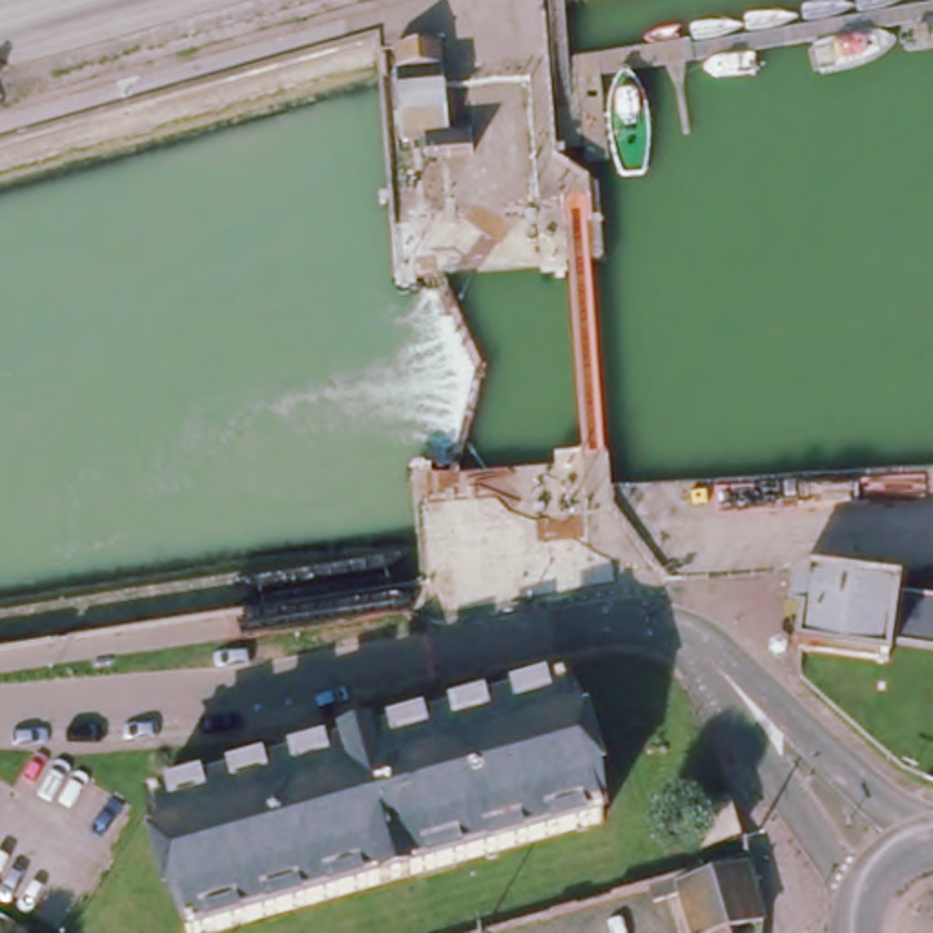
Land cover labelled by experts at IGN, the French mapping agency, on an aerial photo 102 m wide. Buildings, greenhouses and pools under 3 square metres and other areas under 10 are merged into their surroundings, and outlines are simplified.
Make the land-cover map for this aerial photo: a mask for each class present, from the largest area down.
<instances>
[{"label":"impervious surface","instance_id":"1","mask_svg":"<svg viewBox=\"0 0 933 933\"><path fill-rule=\"evenodd\" d=\"M915 11L926 26H933V0H893L875 7L867 18L846 26L842 15H816L805 18V26H795L787 18L769 29H733L722 36H660L656 29H649L641 44L612 47L605 36H594L583 26V0H0V200L73 182L84 175L113 171L124 164H138L146 157L200 146L233 131L262 128L328 102H354L375 95L379 135H386L390 153V186L379 190V208L386 215L383 222L394 226V277L426 306V317L452 368L445 419L437 423V434L426 441V459L412 463V503L423 518V525L415 528L419 554L412 561H386V554L379 550L292 569L211 572L190 579L0 605V671L47 667L66 660L109 663L117 652H149L226 638L259 641V631L295 623L324 627V638L302 652L259 645L248 652L237 649L211 656L200 667L0 685V933H73L80 926L87 897L98 893L102 875L113 867V838L124 816V798L102 791L87 773H73V754L157 747L160 769L186 762L208 765L226 758V751L248 743L270 747L299 729H328L339 722V714H357V729L364 740L372 729L386 722V707L394 703H430L467 682L492 685L528 663H565L569 671H576L583 660L616 652L660 660L674 674V685L685 692L700 729L682 762V780L689 784L703 795L711 809H718L711 824L714 846L736 838L743 849L736 860H729L736 871H754L758 897L765 904H776L769 915L751 918V933H933V776L915 758H900L886 743H878L853 714L831 703L802 674V656L886 663L889 645L842 641L827 634H795L791 616H798V598L791 590V569H805L813 550L900 565L893 645L904 641L907 623L922 605V590H933V467L867 470L849 481L787 485H780L776 477H725L714 485L612 481L594 295V259L601 255V211L590 197V175L565 157V149L579 138H590L612 164L623 160L620 138L627 135L631 120L616 113L612 73H627L631 58H645L667 69L678 131L689 135L692 120L685 98V62H700L707 69L714 55H758L765 47L787 44H805L813 51L820 40H849L856 33H889V40H897L907 36L904 22ZM456 270H543L569 284L579 445L558 448L550 463L437 470L445 452L463 437V423L477 390V350L448 295V273ZM470 933H692L682 893L656 897L652 904L641 897L638 882L587 900H569L536 915L481 926Z\"/></svg>","mask_w":933,"mask_h":933},{"label":"water","instance_id":"2","mask_svg":"<svg viewBox=\"0 0 933 933\"><path fill-rule=\"evenodd\" d=\"M893 0H583V26L594 36H605L612 47L641 44L649 29H656L660 36H722L733 29H769L787 18L795 26H805V18L816 15H842L846 26L867 18L875 7ZM907 36L897 40H889V33H856L849 40H820L813 51L805 44H787L765 47L758 55H714L707 69L700 62H685V98L692 120L689 135L678 131L667 69L645 58H631L627 73H612L616 113L631 120L627 135L620 138L623 160L612 164L590 138H579L565 149V157L590 175V197L601 211V255L594 259V295L612 481L714 485L725 477H776L780 485H787L849 481L867 470L933 467V26H926L915 11L904 22ZM390 186V153L386 135H379L375 95L354 102H328L262 128L233 131L200 146L146 157L138 164H124L113 171L84 175L73 182L0 200V587L171 558H200L215 550H251L273 543L415 528L423 525V518L412 503V463L426 459V441L437 434V423L445 419L452 368L426 317V306L394 277V226L383 222L386 215L379 208V190ZM448 295L477 350V390L463 423V437L445 452L437 470L550 463L558 448L579 445L569 284L543 270H456L448 273Z\"/></svg>","mask_w":933,"mask_h":933},{"label":"building","instance_id":"3","mask_svg":"<svg viewBox=\"0 0 933 933\"><path fill-rule=\"evenodd\" d=\"M791 590L798 598V616H791L795 634H827L842 641L889 645H893L900 565L813 550L805 569H791ZM594 725V707L569 671L565 663H528L492 685L467 682L430 703H394L386 707V722L372 729L364 740L357 729V714H339V722L328 729H299L270 747L248 743L226 751V758L208 765L186 762L160 769L157 787L146 791V827L160 878L168 882L175 904L193 907L182 918L186 933H222L270 915L375 889L397 878L434 875L467 860L499 856L528 842L598 827L601 809H590V798L605 791V751L587 736V729ZM641 897L652 904L656 897L682 893L692 933H751V918L769 915L776 904H765L758 897L754 871H736L729 860H722L718 867L707 864L638 882Z\"/></svg>","mask_w":933,"mask_h":933},{"label":"herbaceous vegetation","instance_id":"4","mask_svg":"<svg viewBox=\"0 0 933 933\"><path fill-rule=\"evenodd\" d=\"M379 550L386 554V561H412L419 554L415 528L273 543L251 550H215L200 558H171L0 587V605L190 579L211 572L292 569ZM802 674L831 703L853 714L878 743H886L900 758H915L933 776V590H922V605L907 623L904 641L893 645H889L886 663L802 656ZM324 638V627L295 623L259 631V641L226 638L149 652H117L109 663L66 660L47 667L0 671V685L200 667L211 656L237 649L248 652L259 645L302 652ZM594 707V725L587 729V736L605 751V791L590 798V809H601L598 827L528 842L499 856L467 860L434 875L397 878L375 889L270 915L222 933H470L481 926L536 915L569 900H587L638 882L707 864L718 867L722 860H736L743 849L736 838L714 846H700L692 853H663L649 835V805L656 798H678L689 784L682 780V762L700 729L685 692L674 685V674L660 660L616 652L583 660L576 671H569ZM73 773H87L102 791L124 798V816L113 838V867L102 875L98 893L87 897L80 926L73 933H186L182 918L193 907L175 904L168 882L160 878L146 827V791L157 787L160 769L157 747L73 754Z\"/></svg>","mask_w":933,"mask_h":933},{"label":"deciduous trees","instance_id":"5","mask_svg":"<svg viewBox=\"0 0 933 933\"><path fill-rule=\"evenodd\" d=\"M718 809H711L703 795L689 784L678 798H656L649 805V835L663 853H692L700 846H714L711 824Z\"/></svg>","mask_w":933,"mask_h":933}]
</instances>
